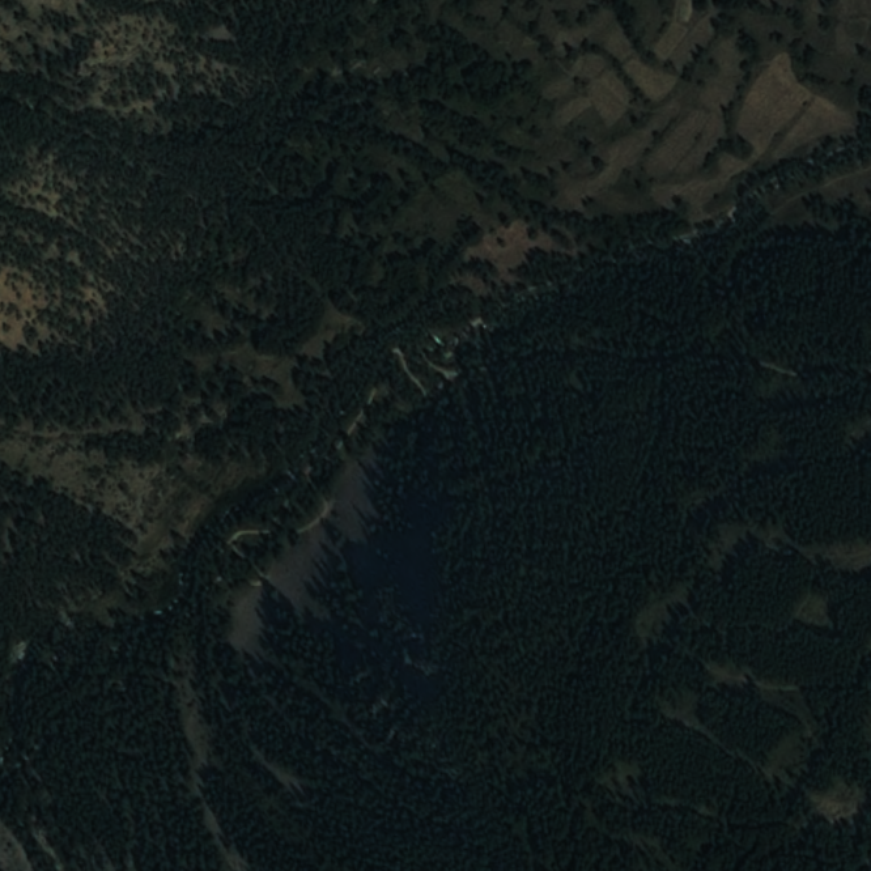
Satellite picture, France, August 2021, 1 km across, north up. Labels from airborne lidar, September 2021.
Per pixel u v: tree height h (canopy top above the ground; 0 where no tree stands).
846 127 0
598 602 23
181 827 17
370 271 11
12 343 0
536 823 23
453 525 9
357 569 0
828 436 21
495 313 18
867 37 0
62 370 28
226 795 13
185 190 22
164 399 24
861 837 7
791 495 22
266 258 14
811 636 22
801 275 30
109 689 26
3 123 15
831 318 28
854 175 0
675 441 19
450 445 16
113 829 16
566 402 20
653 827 25
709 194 0
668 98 0
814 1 0
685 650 23
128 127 12
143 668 24
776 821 22
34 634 18
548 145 0
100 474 7
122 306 19
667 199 0
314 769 13
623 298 23
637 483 18
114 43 10
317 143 27
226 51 20
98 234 10
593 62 0
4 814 20
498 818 10
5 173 12
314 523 0
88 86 15
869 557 0
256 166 22
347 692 13
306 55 26
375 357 24
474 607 12
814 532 19
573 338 20
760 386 25
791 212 0
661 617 0
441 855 9
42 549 18
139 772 15
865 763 14
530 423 15
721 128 0
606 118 0
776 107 0
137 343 20
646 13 0
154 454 13
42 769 22
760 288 27
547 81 0
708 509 9
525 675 14
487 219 0
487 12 0
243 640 0
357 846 14
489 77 24
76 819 15
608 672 15
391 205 6
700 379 29
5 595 25
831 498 19
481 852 13
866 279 33
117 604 0
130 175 16
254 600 0
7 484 24
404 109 9
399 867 19
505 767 16
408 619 8
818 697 21
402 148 27
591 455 6
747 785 22
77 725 28
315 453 20
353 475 0
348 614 13
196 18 22
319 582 0
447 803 11
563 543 12
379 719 13
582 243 12
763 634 20
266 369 0
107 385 25
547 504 12
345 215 24
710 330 29
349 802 11
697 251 17
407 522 17
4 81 20
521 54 0
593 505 11
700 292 31
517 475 12
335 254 28
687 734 21
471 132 23
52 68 23
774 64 0
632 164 0
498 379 15
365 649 17
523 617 9
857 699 24
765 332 29
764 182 17
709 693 23
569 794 13
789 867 23
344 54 9
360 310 19
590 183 0
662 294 32
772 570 17
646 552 21
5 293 0
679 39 0
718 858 19
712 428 28
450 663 6
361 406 19
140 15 14
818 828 22
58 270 13
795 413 22
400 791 11
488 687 8
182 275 21
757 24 0
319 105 29
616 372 16
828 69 0
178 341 27
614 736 18
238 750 11
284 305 10
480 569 8
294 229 28
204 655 14
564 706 15
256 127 25
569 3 0
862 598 26
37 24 10
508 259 0
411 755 14
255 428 20
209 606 22
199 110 27
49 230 15
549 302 17
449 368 8
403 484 12
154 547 0
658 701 19
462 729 13
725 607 24
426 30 9
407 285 13
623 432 11
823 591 25
